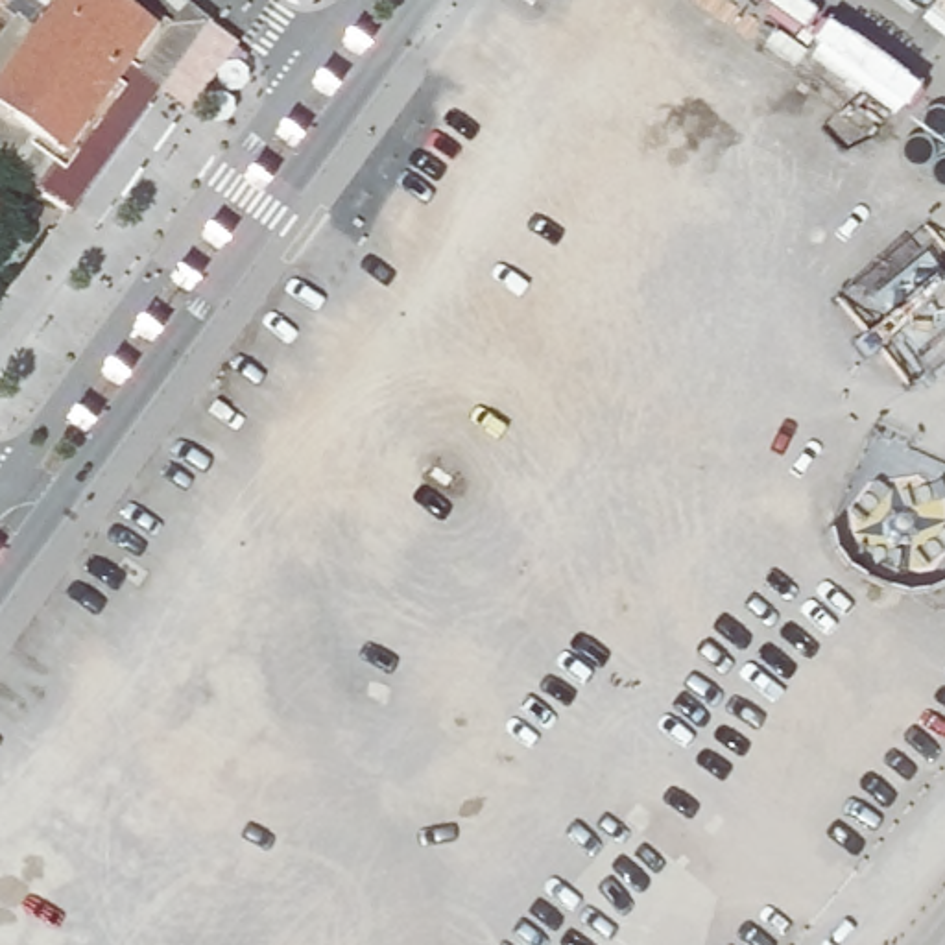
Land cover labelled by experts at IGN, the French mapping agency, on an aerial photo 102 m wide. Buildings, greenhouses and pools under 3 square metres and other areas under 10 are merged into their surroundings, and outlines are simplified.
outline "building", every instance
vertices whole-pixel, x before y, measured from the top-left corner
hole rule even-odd
[[[151,48],[159,44],[162,33],[155,22],[166,15],[170,0],[41,0],[37,7],[59,26],[59,41],[48,41],[33,22],[26,22],[18,30],[22,48],[0,70],[0,151],[15,148],[30,162],[33,177],[70,166],[89,133],[103,126],[114,100],[126,92],[126,70],[137,70],[140,59],[151,55]]]

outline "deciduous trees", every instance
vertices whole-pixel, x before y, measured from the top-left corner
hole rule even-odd
[[[11,251],[22,240],[44,244],[44,203],[37,196],[33,177],[30,162],[15,148],[0,151],[0,299],[22,273],[11,262]]]

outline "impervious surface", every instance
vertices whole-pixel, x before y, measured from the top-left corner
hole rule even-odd
[[[18,30],[26,22],[33,22],[48,41],[59,41],[59,26],[37,7],[41,0],[0,0],[0,70],[22,48]]]
[[[162,33],[159,44],[151,48],[151,55],[140,59],[137,70],[126,70],[126,92],[114,100],[103,126],[89,133],[70,166],[33,177],[37,196],[44,203],[44,244],[22,240],[11,251],[11,262],[22,273],[0,299],[0,945],[945,945],[945,0],[170,0],[166,15],[155,22]],[[229,229],[225,247],[214,247],[203,240],[203,225],[218,221],[221,207],[236,207],[240,225]],[[181,288],[173,281],[173,269],[188,262],[192,247],[207,247],[210,258],[199,269],[199,284]],[[107,380],[103,358],[118,358],[118,347],[129,340],[140,347],[140,358],[129,365],[129,380]],[[63,458],[59,443],[70,428],[70,406],[85,406],[85,391],[92,388],[107,395],[107,406],[96,413],[92,428],[81,428],[85,443],[70,458]]]

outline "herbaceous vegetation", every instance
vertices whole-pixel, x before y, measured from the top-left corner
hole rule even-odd
[[[240,225],[236,207],[221,207],[218,221],[203,225],[203,240],[214,247],[225,247],[229,229]]]
[[[107,395],[92,388],[85,391],[85,406],[70,406],[70,428],[59,443],[63,458],[70,458],[85,443],[81,428],[92,428],[96,413],[107,406]]]
[[[140,358],[140,347],[129,340],[118,347],[118,358],[103,358],[107,380],[129,380],[129,365]]]
[[[199,269],[210,258],[207,247],[192,247],[188,262],[173,269],[173,281],[181,288],[199,284]]]

